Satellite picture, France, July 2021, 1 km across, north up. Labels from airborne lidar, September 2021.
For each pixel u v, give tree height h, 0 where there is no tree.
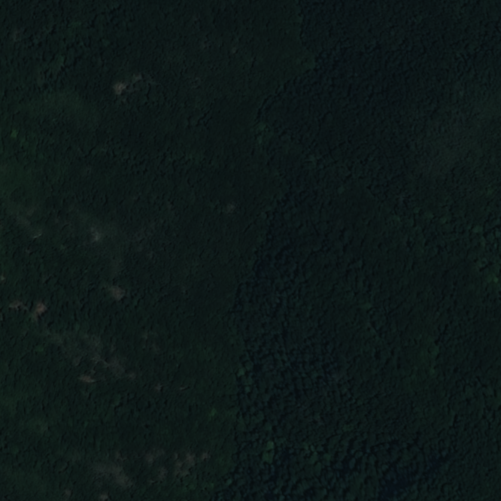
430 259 27
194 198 24
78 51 38
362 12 25
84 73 24
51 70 35
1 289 25
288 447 24
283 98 28
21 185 7
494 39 20
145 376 17
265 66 22
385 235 15
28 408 27
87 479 9
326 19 26
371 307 14
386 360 24
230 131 29
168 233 22
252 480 21
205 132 26
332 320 25
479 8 21
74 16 27
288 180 24
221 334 24
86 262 30
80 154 24
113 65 11
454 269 23
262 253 25
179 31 26
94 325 20
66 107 14
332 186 29
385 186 23
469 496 30
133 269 20
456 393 36
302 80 24
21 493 7
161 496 23
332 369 15
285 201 12
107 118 19
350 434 23
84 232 7
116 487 7
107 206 21
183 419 24
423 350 35
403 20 27
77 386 16
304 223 30
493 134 12
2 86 25
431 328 33
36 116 9
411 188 27
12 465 22
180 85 23
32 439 18
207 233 21
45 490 7
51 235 8
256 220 24
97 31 33
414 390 25
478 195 13
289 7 24
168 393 29
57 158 17
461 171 16
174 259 17
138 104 26
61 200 22
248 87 23
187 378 22
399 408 21
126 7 25
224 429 18
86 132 16
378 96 29
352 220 17
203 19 24
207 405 25
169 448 17
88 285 24
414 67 26
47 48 25
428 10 22
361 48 31
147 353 24
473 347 32
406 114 23
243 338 12
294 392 21
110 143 25
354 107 21
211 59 28
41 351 28
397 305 14
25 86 28
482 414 31
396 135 19
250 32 23
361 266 19
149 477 23
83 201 12
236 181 25
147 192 21
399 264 30
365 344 27
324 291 24
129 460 16
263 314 24
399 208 28
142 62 24
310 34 23
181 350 21
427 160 9
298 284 23
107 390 30
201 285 24
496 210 30
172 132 21
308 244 29
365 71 25
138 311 27
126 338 22
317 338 26
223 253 28
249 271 26
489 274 34
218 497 17
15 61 23
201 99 25
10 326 23
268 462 36
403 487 23
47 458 24
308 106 27
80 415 26
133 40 23
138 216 16
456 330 31
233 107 27
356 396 29
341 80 23
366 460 32
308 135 30
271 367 28
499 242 22
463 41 17
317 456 38
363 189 28
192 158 23
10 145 21
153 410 30
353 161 35
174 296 29
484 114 5
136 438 23
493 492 30
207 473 28
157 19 23
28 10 23
